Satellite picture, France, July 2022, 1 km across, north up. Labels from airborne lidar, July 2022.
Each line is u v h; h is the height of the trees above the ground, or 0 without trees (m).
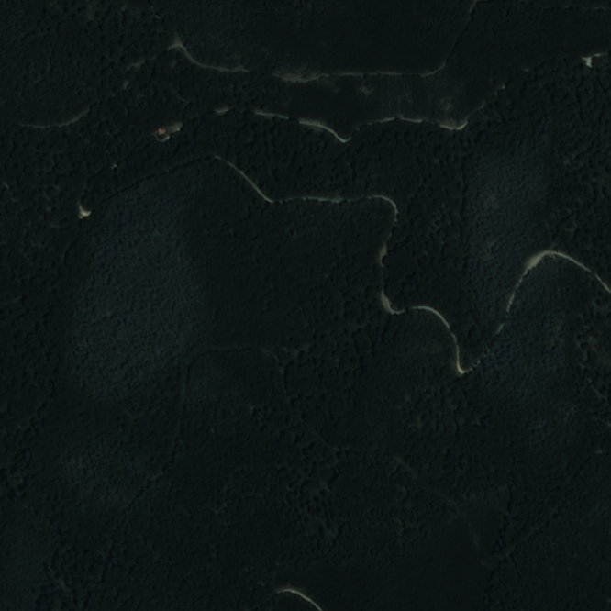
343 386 36
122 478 16
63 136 10
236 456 16
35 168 25
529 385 11
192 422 15
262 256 19
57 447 18
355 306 37
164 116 26
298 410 33
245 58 14
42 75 9
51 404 30
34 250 14
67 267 25
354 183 14
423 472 19
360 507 18
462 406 30
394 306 13
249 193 27
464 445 19
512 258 11
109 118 31
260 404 21
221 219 26
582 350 16
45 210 26
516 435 19
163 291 13
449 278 23
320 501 32
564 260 13
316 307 22
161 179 19
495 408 16
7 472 28
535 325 7
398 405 15
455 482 16
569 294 14
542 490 19
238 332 18
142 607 17
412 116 13
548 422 8
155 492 12
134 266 15
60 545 9
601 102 23
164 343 9
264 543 12
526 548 15
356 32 14
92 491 9
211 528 15
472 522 7
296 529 25
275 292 21
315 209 14
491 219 14
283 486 22
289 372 27
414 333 14
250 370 18
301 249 12
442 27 20
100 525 18
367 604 8
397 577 14
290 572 7
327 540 24
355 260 27
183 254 16
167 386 15
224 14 10
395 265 18
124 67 27
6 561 6
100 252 16
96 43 24
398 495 22
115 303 13
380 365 24
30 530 5
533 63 22
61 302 23
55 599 22
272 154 35
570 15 26
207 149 20
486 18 32
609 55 7
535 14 29
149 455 14
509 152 10
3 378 22
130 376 13
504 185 11
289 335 17
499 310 12
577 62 23
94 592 16
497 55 29
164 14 29
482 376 16
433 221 30
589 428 16
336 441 35
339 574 8
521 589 15
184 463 15
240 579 17
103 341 16
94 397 22
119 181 26
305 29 15
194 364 8
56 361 27
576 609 17
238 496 15
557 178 12
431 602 21
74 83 19
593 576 15
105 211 15
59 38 19
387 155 20
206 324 18
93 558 19
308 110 10
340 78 9
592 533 9
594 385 23
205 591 16
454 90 14
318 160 35
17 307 9
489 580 6
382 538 12
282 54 6
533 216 8
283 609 7
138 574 20
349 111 14
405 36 23
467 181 12
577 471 12
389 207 15
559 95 34
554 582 13
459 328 28
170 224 7
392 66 12
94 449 11
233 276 22
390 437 21
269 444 29
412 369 21
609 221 18
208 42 12
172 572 10
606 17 22
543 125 14
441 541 7
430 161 22
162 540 18
